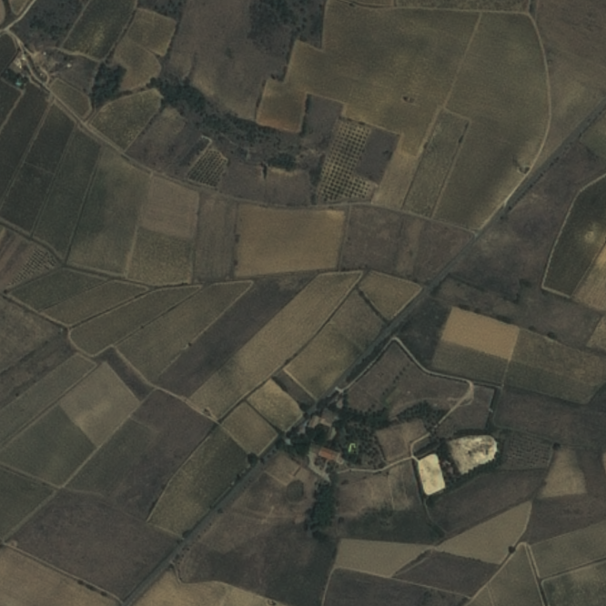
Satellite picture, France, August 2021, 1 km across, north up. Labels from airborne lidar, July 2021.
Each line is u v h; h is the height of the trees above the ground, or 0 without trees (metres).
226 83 0
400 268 0
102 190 0
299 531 0
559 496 0
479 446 0
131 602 0
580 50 0
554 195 0
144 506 0
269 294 0
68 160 0
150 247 0
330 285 0
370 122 0
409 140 0
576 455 0
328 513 14
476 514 0
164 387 0
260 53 0
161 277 0
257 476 0
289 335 0
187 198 0
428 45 0
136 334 0
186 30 0
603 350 0
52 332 0
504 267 0
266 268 0
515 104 0
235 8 0
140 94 0
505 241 0
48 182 0
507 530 0
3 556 0
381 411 8
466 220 0
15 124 0
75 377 0
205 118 6
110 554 0
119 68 7
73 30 0
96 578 0
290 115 0
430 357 0
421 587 0
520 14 0
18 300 0
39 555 0
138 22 0
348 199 0
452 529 0
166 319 0
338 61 0
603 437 0
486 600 0
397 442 0
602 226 0
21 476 0
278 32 0
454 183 0
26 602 0
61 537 0
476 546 0
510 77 0
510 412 0
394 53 0
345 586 0
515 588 0
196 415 0
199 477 0
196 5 0
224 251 0
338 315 0
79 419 0
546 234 0
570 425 0
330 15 0
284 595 0
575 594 0
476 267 0
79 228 0
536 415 0
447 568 0
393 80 0
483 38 0
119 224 0
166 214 0
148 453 0
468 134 0
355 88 0
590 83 0
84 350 0
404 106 0
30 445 0
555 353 0
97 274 0
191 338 0
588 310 0
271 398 0
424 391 0
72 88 0
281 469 0
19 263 0
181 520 0
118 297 0
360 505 0
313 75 0
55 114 0
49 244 0
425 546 0
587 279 0
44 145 0
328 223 0
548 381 0
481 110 0
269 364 0
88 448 0
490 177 0
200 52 0
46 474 0
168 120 0
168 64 0
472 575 0
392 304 0
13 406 0
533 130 0
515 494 0
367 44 0
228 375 0
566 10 0
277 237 0
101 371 0
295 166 9
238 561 0
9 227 0
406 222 0
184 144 0
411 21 0
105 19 0
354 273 0
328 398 9
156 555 0
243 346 0
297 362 0
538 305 0
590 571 0
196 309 0
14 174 0
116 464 0
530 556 0
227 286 0
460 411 0
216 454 0
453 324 0
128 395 0
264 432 0
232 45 0
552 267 0
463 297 0
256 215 0
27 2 0
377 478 0
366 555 0
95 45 0
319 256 0
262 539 0
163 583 0
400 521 0
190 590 0
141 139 0
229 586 0
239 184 0
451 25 0
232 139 0
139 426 0
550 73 0
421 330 0
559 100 0
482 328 0
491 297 0
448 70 0
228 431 0
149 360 0
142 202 0
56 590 0
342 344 0
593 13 0
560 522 0
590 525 0
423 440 0
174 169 0
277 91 0
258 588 0
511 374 0
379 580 0
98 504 0
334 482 10
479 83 0
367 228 0
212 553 0
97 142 0
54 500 0
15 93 0
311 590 0
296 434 9
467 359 0
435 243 0
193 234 0
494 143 0
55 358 0
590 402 0
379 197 0
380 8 0
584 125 0
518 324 0
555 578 0
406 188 0
